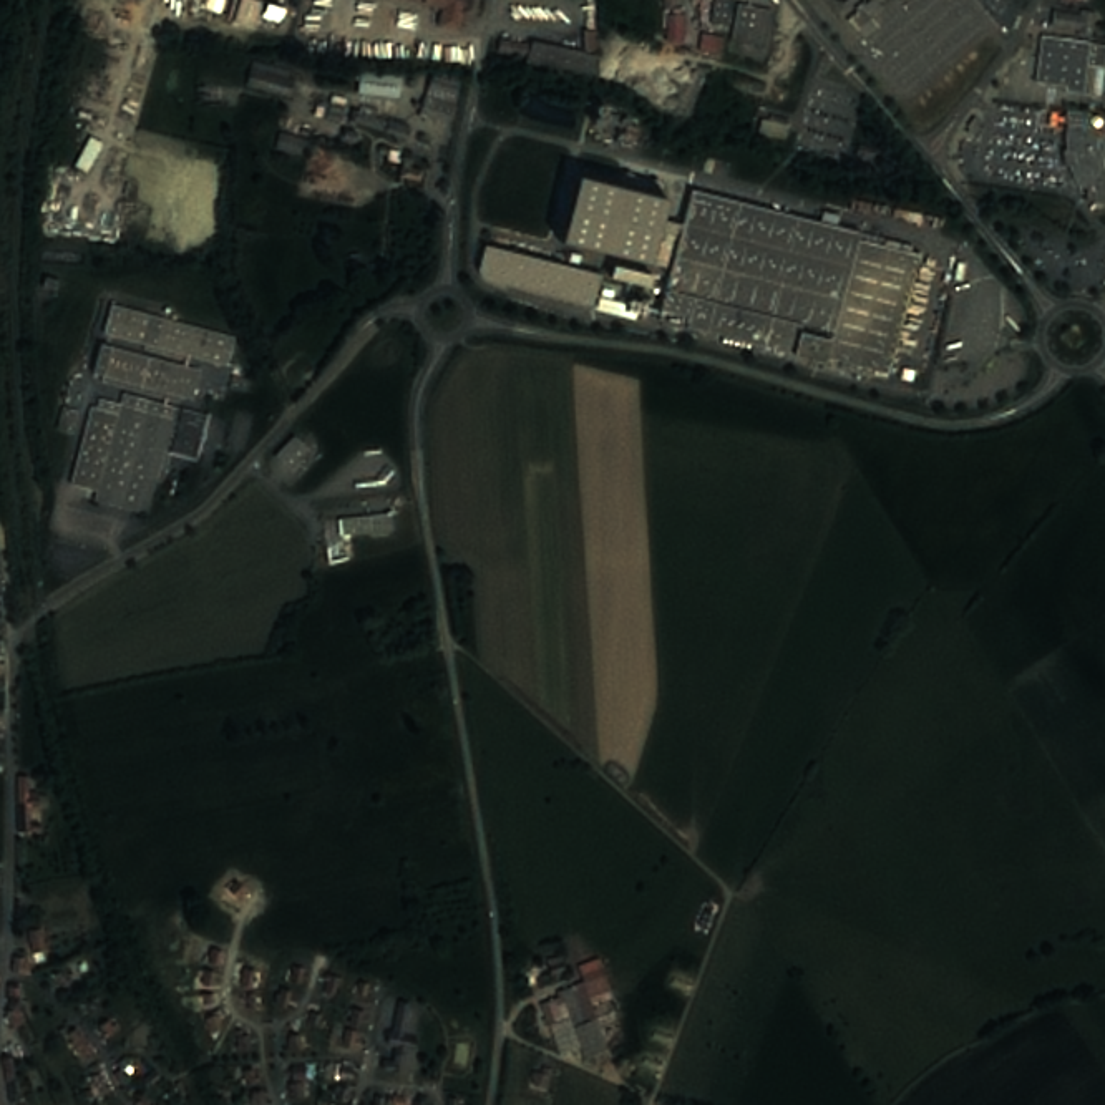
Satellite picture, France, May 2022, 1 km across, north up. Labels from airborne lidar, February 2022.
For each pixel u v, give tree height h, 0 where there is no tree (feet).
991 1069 0
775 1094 0
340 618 0
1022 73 0
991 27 0
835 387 0
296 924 0
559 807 0
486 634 0
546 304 0
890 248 0
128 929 34
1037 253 0
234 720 0
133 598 0
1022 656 0
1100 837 0
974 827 0
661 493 0
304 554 0
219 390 0
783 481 0
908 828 0
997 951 0
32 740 0
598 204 0
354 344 0
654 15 0
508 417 0
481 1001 0
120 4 0
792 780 0
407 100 0
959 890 0
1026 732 0
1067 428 0
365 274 61
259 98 0
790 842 0
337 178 0
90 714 0
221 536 0
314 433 0
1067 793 0
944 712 0
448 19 0
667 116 31
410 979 0
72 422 0
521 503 0
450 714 0
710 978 0
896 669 0
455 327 0
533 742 0
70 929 0
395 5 0
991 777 0
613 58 0
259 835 0
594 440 0
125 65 0
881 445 0
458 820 0
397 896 0
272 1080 0
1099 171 0
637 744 0
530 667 0
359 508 0
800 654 0
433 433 0
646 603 0
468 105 0
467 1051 0
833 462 0
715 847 0
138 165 0
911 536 0
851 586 0
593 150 0
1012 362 0
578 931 0
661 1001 0
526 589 0
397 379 0
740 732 0
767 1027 0
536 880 0
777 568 0
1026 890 0
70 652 0
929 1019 0
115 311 0
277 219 0
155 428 0
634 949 0
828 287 0
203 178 0
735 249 0
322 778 0
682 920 0
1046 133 0
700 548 0
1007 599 0
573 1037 0
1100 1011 0
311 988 0
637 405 0
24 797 0
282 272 0
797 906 0
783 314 0
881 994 0
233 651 0
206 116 0
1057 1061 0
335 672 0
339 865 0
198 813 0
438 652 0
